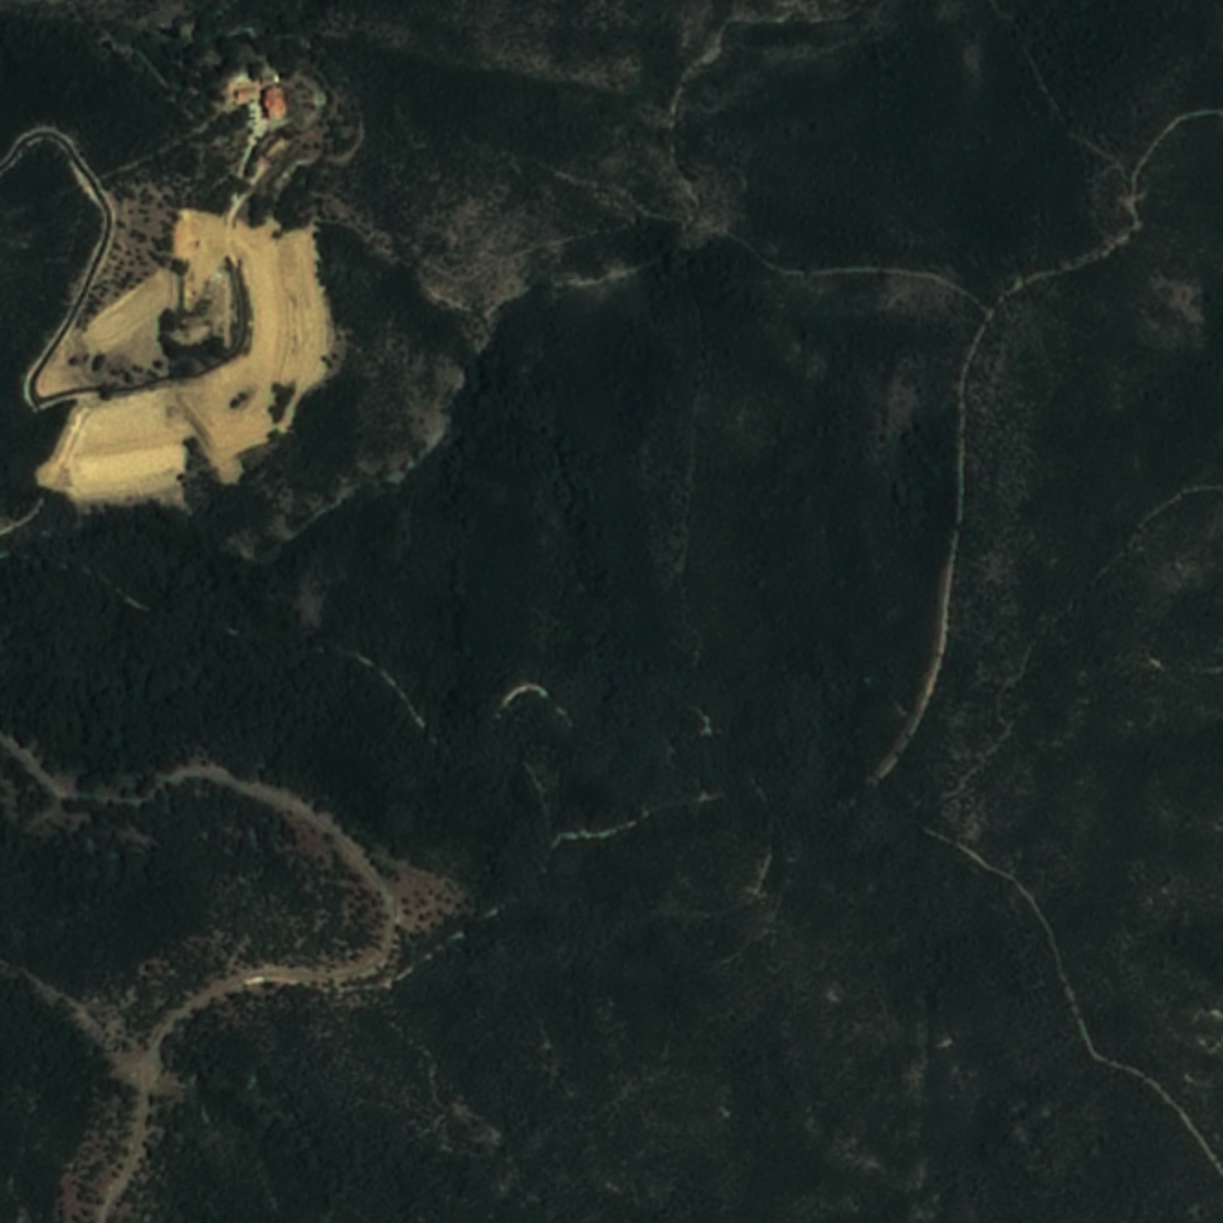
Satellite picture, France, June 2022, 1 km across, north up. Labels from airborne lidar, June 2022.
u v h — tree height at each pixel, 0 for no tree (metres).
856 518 6
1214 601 8
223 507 9
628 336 8
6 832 10
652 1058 6
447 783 6
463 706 10
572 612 7
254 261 0
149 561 15
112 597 10
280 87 6
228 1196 12
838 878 6
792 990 7
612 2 10
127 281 7
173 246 10
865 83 5
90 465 0
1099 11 5
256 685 6
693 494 7
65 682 13
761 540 6
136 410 0
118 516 9
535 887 7
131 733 13
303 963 8
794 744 12
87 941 9
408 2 7
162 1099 10
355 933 8
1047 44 8
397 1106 6
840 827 6
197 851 8
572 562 6
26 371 9
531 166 6
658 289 8
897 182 8
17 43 6
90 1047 13
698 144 7
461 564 9
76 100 7
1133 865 6
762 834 8
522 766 5
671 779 11
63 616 13
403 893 0
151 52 13
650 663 6
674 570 7
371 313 8
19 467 10
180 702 14
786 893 7
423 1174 6
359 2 6
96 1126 7
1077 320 7
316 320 0
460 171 5
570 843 7
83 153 6
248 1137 6
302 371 0
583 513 6
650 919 9
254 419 0
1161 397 7
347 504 10
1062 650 7
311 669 12
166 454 0
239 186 11
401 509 6
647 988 6
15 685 10
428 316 6
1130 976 6
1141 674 6
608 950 10
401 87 6
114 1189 0
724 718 9
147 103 9
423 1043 7
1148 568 5
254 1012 9
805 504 15
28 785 12
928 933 8
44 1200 8
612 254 8
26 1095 10
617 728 15
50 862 8
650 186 6
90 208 7
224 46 14
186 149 7
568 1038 7
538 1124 9
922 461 10
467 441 14
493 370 11
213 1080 20
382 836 8
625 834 7
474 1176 7
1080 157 6
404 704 11
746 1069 7
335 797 13
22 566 10
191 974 11
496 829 8
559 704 12
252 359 0
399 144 7
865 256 7
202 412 0
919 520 11
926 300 0
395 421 9
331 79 11
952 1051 0
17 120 6
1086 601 10
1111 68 7
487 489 6
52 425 7
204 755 7
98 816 13
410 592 5
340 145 9
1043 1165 6
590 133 6
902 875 8
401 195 7
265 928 7
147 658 17
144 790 11
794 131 10
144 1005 9
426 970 9
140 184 9
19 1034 10
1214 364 9
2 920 9
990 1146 9
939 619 0
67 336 0
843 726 10
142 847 6
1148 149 6
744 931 6
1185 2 10
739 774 9
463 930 9
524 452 12
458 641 6
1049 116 8
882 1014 7
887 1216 9
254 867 7
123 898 8
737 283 12
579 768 10
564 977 6
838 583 10
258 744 14
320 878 8
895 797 7
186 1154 12
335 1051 7
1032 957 7
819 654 10
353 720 9
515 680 8
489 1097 12
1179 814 5
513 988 8
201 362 11
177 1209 9
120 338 0
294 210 9
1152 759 9
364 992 7
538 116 10
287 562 7
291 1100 8
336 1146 11
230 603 11
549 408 12
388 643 10
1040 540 6
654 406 6
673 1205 6
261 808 11
